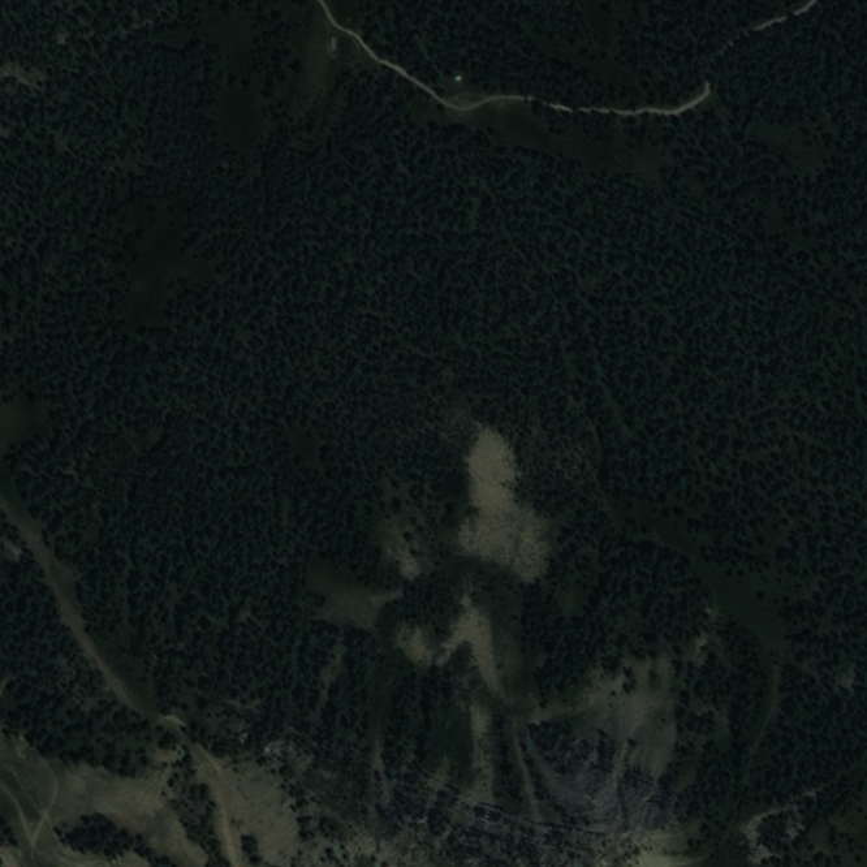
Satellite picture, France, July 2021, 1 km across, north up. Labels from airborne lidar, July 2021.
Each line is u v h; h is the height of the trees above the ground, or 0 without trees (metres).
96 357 9
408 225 20
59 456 20
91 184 8
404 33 23
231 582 23
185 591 11
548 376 7
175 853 0
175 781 6
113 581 9
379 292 13
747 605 0
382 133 17
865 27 12
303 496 17
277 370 16
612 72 0
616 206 11
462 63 10
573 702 0
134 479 12
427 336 20
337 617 0
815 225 13
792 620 18
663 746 0
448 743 0
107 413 11
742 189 20
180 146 13
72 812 0
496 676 0
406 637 0
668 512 15
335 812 0
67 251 13
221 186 22
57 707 15
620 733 0
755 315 13
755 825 0
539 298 8
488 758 0
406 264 21
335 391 9
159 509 22
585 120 14
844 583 16
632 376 17
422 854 0
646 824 0
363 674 18
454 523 8
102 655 0
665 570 15
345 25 0
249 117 0
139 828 0
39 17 19
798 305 16
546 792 9
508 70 12
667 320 20
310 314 19
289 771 8
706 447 19
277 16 18
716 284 15
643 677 0
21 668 12
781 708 0
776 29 13
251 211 9
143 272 0
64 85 20
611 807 0
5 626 15
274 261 14
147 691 0
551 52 0
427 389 11
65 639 11
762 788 15
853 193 12
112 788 0
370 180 10
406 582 8
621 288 13
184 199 0
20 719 20
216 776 0
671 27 20
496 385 12
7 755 0
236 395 18
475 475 0
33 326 8
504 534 0
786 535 0
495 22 19
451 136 23
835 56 25
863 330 19
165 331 10
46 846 0
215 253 12
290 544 20
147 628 20
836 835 10
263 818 0
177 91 19
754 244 21
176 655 14
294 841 0
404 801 9
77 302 11
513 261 11
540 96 12
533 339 10
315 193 11
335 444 9
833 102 18
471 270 9
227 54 0
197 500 12
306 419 16
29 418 0
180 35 0
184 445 16
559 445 12
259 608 15
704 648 10
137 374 13
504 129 0
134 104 23
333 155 17
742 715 22
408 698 11
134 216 0
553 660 13
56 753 16
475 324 16
